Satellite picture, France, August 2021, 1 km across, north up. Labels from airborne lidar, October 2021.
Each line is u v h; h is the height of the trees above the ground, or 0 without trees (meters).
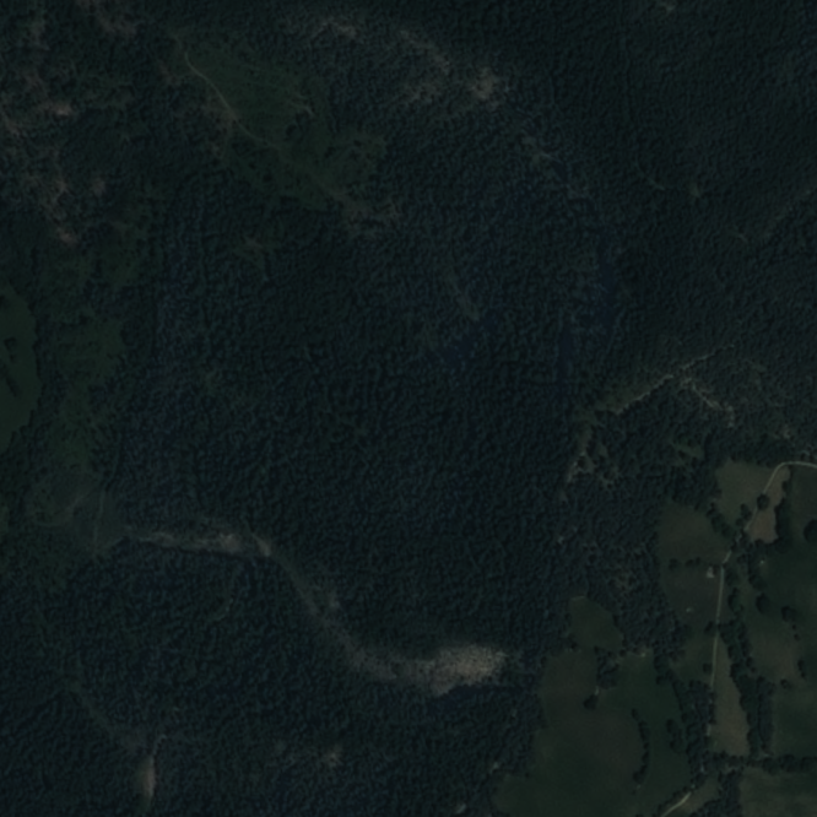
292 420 21
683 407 16
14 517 11
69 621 18
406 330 19
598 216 16
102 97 8
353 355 13
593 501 18
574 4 20
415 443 15
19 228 21
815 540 19
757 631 0
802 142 17
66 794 19
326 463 20
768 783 0
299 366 24
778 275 12
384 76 14
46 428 11
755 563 11
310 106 8
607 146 20
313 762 13
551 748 0
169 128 17
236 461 24
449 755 16
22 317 0
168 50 22
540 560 7
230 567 10
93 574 12
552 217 22
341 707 16
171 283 11
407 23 9
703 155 17
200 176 13
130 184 19
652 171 20
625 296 12
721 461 14
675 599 0
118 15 10
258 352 17
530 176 11
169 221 13
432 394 23
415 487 13
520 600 15
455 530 15
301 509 10
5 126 10
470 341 8
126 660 11
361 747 11
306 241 26
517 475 23
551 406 12
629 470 16
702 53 19
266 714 7
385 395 20
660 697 0
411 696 12
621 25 10
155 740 14
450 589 19
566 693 0
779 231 16
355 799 8
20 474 15
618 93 15
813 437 8
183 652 18
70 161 18
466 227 9
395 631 8
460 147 15
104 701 13
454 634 7
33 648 16
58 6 14
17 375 0
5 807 19
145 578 13
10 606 14
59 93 19
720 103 28
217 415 22
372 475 17
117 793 16
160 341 12
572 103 16
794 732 0
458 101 8
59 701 13
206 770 16
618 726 0
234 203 13
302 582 0
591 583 18
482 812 13
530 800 0
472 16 17
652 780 0
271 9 12
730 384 9
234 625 11
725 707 0
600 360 11
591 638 0
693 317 15
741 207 17
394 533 14
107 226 15
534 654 10
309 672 17
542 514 15
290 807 13
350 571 11
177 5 12
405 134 15
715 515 13
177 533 9
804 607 0
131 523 8
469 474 6
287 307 25
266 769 13
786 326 13
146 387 8
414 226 13
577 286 15
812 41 11
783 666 0
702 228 14
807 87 14
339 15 8
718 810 16
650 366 7
